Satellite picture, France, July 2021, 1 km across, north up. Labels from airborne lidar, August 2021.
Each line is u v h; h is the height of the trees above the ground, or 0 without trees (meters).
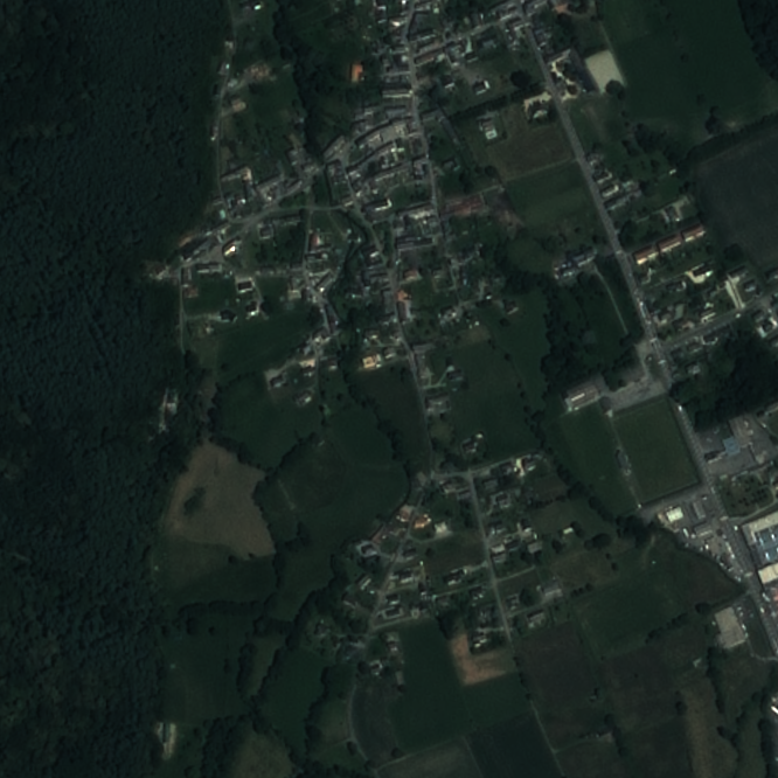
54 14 21
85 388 31
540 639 0
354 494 0
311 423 0
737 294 0
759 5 20
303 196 10
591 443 0
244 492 0
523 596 8
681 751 0
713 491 0
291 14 19
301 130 12
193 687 0
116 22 31
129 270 27
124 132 30
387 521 8
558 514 0
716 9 0
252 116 0
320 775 21
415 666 0
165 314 7
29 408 29
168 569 0
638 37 0
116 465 30
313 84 22
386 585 0
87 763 28
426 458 0
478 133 0
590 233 0
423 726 0
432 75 6
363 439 0
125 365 28
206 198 11
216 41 21
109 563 28
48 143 20
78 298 32
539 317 0
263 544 0
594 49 6
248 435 0
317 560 0
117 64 32
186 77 27
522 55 7
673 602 0
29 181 25
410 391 0
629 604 0
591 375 9
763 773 0
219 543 0
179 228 20
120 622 15
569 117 0
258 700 16
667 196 0
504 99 8
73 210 29
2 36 27
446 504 0
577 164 0
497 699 0
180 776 0
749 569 0
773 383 7
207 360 0
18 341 35
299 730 0
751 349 9
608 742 0
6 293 32
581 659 0
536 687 0
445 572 0
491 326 0
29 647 20
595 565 0
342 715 0
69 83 24
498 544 0
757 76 0
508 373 0
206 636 0
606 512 11
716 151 12
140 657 34
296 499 0
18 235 31
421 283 0
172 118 27
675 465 0
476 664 0
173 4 33
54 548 25
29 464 22
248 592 0
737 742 22
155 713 18
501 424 0
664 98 0
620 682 0
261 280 0
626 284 7
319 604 19
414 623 0
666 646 0
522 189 0
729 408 27
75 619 24
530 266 0
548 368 21
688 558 0
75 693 23
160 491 25
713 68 0
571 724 0
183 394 10
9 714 25
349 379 18
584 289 16
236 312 0
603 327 0
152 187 30
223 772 18
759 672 0
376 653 5
